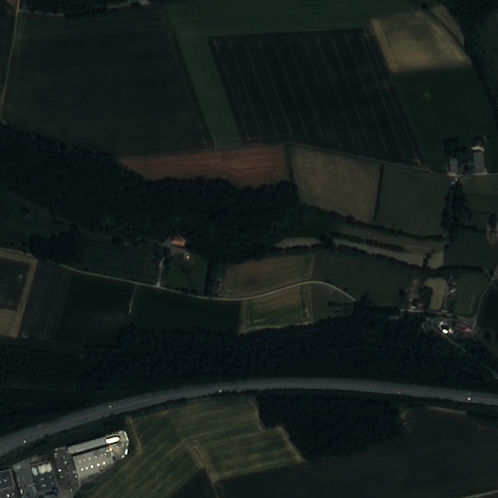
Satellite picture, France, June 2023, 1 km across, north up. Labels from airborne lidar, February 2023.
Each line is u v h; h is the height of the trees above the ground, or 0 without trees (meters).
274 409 18
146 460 0
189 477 0
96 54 0
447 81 0
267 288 0
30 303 0
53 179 19
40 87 0
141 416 0
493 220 8
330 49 0
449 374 20
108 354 11
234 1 0
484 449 0
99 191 19
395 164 0
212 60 0
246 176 0
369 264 0
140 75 0
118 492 0
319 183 0
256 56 0
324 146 0
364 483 0
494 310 0
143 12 0
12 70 0
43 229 0
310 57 0
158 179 0
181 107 0
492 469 0
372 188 0
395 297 0
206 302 0
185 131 0
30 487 0
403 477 0
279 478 0
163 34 0
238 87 0
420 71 0
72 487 0
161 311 0
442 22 0
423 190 0
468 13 17
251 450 0
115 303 0
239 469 0
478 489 0
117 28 0
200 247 15
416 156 0
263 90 0
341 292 0
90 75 0
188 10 0
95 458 0
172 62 0
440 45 0
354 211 0
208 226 25
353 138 0
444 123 0
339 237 9
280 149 0
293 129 0
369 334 31
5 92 0
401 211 0
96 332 0
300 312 0
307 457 14
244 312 0
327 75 0
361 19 0
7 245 0
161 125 0
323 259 0
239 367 20
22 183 20
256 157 0
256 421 0
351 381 0
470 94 0
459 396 0
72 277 0
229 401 0
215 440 0
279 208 20
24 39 0
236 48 0
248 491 0
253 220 21
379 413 20
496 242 0
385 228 7
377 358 21
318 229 0
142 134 0
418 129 0
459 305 0
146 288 0
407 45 0
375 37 0
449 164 0
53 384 0
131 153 0
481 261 0
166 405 10
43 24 0
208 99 0
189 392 0
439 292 0
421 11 0
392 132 0
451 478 0
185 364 22
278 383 0
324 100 0
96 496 0
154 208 19
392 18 0
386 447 0
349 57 0
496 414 9
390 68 0
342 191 0
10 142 18
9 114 0
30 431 0
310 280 0
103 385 13
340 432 20
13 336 0
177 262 0
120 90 0
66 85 0
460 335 0
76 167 18
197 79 0
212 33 0
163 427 0
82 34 0
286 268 0
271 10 0
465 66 0
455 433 0
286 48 0
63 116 0
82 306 0
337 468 0
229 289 0
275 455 0
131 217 16
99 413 0
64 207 21
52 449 0
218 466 0
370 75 0
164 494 0
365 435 19
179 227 15
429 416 0
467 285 0
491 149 0
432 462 0
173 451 0
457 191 19
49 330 0
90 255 0
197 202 21
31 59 0
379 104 0
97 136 0
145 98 0
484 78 7
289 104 0
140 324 0
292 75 0
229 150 0
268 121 0
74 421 0
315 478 0
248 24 0
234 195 16
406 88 0
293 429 15
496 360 8
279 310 0
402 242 0
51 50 0
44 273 0
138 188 17
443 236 8
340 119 0
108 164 17
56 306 0
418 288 0
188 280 0
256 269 0
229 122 0
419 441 0
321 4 0
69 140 0
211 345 21
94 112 0
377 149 0
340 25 0
